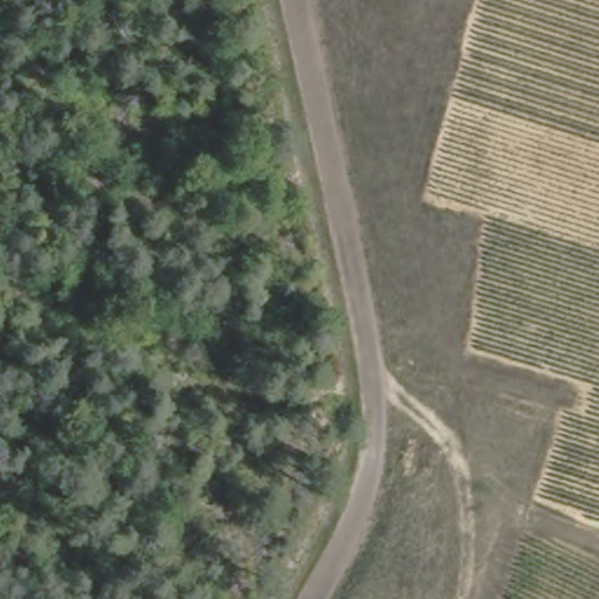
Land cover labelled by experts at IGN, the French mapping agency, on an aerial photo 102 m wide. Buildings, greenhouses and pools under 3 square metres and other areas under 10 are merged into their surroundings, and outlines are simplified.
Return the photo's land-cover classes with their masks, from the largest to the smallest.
<instances>
[{"label":"coniferous trees","instance_id":"1","mask_svg":"<svg viewBox=\"0 0 599 599\"><path fill-rule=\"evenodd\" d=\"M82 0H0V112L14 110L21 101H37V96H44L47 105L28 119L33 122V131L44 133L42 124L51 122L58 136L56 145L61 147V152L68 154L73 150H80L84 145V138H80L66 126V119L75 115V103H68L61 96V87L56 84V77L63 70L75 68V75L80 80L94 75L105 80V94L112 101V105H117L112 124L119 131V143L115 145L112 157L89 168L94 190L87 197L77 194L66 183V173L61 168H51L44 157L35 164H16V204H28L33 213L30 225L37 227V236H23L16 253H7L5 246H0V510L5 505H12L16 512L26 517V529L14 557L0 562V599H222V592L229 590L239 578V566L234 564V559L225 557V552L220 550V541L215 536H208L194 519L199 517V512L190 503V489L194 484L206 487L213 473H234L239 466H248L257 475L271 477L281 484L285 459L295 461V468L300 473H304L311 466V454L283 445L281 440H276V435L281 419L307 421L311 416L309 405L302 402L300 395H307L311 391V381L321 370L314 363V356L318 351V332L321 328H325L321 323V309L325 307L309 300L307 292H288L283 285L269 283V300L262 309V318L253 321L246 316L250 304L246 288L248 274L257 271L260 255L269 253V243L260 236H220L213 227L225 220V211L234 197V192L227 185L218 190L190 192L185 185V175L194 166L199 154H211L215 159L220 152L239 143L241 133L246 105V103H241L236 87H232L236 66L232 58L222 56L225 44L220 42L218 26L225 19H234L243 28H248L250 16L246 5H255L257 0H101L103 14L98 19H91L82 28H66L61 19L66 9ZM145 274H152L154 292L175 295V304L180 309H208L215 316L213 335L206 339L171 337V332L159 330V339L143 349H138V344H129L126 351L119 356L110 351L108 332L112 325L101 318L105 300L131 295L138 288L136 278ZM80 402L98 407L108 419V426L91 442L63 445L58 431L66 426L68 414L75 412Z\"/></svg>","mask_w":599,"mask_h":599},{"label":"herbaceous vegetation","instance_id":"2","mask_svg":"<svg viewBox=\"0 0 599 599\"><path fill-rule=\"evenodd\" d=\"M250 16L248 28H243L241 35L246 37L248 51H241L232 58L236 66L232 87H236L241 103H246L267 82L262 73H255V56L250 51H264L271 58L274 73L283 68L288 77V91L276 94V98H271L264 110L246 105L241 133L257 136L260 129L271 131L274 150H278L276 159L283 164L278 178L285 180V199H300L302 211L307 213V227L295 225L283 215L278 222L267 225L260 236L269 243V253L260 255L257 271L248 274L246 288L250 304L246 316L253 321L262 318V309L269 300V283L283 285L288 292H307L309 300L325 307L344 309L337 257L328 229L321 180L314 161L311 133L307 129L281 0H257L255 5H246ZM318 16L323 23V47L328 56L337 122L349 154V180L358 201L363 225V250L367 260L374 309L379 316L386 365L405 391L416 395L445 421L447 428L456 433L461 442V454L468 461L473 480L475 536L461 533L452 473L454 468L449 459L440 452V445L419 424H414L409 416L393 407L388 409L386 459L381 475V496L374 505V524L332 599H480L484 576L489 571V555L494 552L498 536H503L508 529H515V510L519 501L533 496V484L541 475L555 426V412L559 407L576 405L578 391L564 381L505 367L466 353V332L470 325V290L477 262L475 239L480 229V218L449 208H438L424 201L431 157L449 101L447 94L459 66L463 26L473 7V0H316ZM314 363L321 370L311 381V391L307 395H300L302 402L309 405L311 416L307 421L281 419L276 435V440H281L283 445L311 454V466L304 473H300L295 468V461L285 459L281 484L271 477L257 475L248 466H239L234 473H213L206 487L194 484L190 489V503L199 512V517L194 519L208 536H215L220 541V550L225 552V557L234 559V564L239 566V578L229 590L222 592V599H300L346 508L349 489L358 466V454L367 440V424L360 419V379L353 353V339L349 330L335 332L332 328H321L318 332V351L314 356Z\"/></svg>","mask_w":599,"mask_h":599},{"label":"vineyard","instance_id":"3","mask_svg":"<svg viewBox=\"0 0 599 599\"><path fill-rule=\"evenodd\" d=\"M449 101L431 157L424 201L438 208H449L480 218V229L475 239L477 262L470 290V325L466 332V353L505 367L564 381L578 391L576 405L559 407L555 412V426L541 475L533 484V496L519 501L515 510V529H508L503 536H498L494 552L489 555V571L484 576L480 599H599V0H473V7L463 26L459 66L447 94Z\"/></svg>","mask_w":599,"mask_h":599},{"label":"deciduous trees","instance_id":"4","mask_svg":"<svg viewBox=\"0 0 599 599\"><path fill-rule=\"evenodd\" d=\"M103 14L101 0H82L66 9L61 19L66 28H82L91 19H98ZM243 28L234 19H225L218 26L220 42L225 44L222 56L232 58L241 51H248L246 37L241 35ZM255 56V73H262L267 82L246 103V105L264 110L271 98H276V94L288 91V77L283 68L274 73L271 58L264 51H250ZM56 84L61 87V96L68 103H75V115L66 119V126L80 138H84V145L80 150H73L68 154L61 152V147L56 145L58 136L51 122L42 124L44 133L33 131V122L28 119L47 105L44 96H37V101H21L14 110L0 112V246H5L7 253H16L23 236H37V227L30 225L33 213L28 204H16V164H35L44 157L51 168H61L66 173V183L77 194L87 197L94 190L89 168L112 157L115 145L119 143V131L112 124L117 105H112V101L105 94V80L94 75L80 80L75 75V68L63 70L56 77ZM278 150H274L271 131L260 129L257 136L241 133L239 143L220 152L215 159L211 154H199L194 166L185 175V185L190 192L218 190L227 185L234 192V197L225 211V220L213 227L220 236H260L267 225L278 222L283 215L295 225L307 227V213L302 211L300 199H285V180L278 178L283 164L276 159ZM138 288L131 295L105 300L101 318L112 325L108 332L110 351L119 356L126 351L129 344H138V349H143L159 339V330L171 332V337L206 339L213 335L215 316L208 309H180L175 304V295L154 292L152 274H145L136 278ZM321 323L325 328H332L335 332L349 330L351 318L344 309L325 307L321 309ZM108 426V419L98 407L80 402L75 412L68 414L66 426L58 431L63 445L91 442ZM26 529V517L16 512L12 505H5L0 510V562L14 557Z\"/></svg>","mask_w":599,"mask_h":599},{"label":"impervious surface","instance_id":"5","mask_svg":"<svg viewBox=\"0 0 599 599\"><path fill-rule=\"evenodd\" d=\"M307 129L311 133L314 161L321 180L328 229L337 257L344 309L351 318L349 330L353 339V353L360 379V419L367 424V440L358 454V466L349 489L346 508L300 599H332L374 524V505L381 496V475L386 459L388 409L393 407L384 395L379 379V370L386 365L379 316L374 309L367 260L363 250V225L358 201L349 180V154L337 122L328 56L323 47V23L318 16L316 0H281Z\"/></svg>","mask_w":599,"mask_h":599},{"label":"pervious surface","instance_id":"6","mask_svg":"<svg viewBox=\"0 0 599 599\"><path fill-rule=\"evenodd\" d=\"M379 379L384 395L393 407L409 416L414 424H419L440 445V452L449 459L454 468L452 473L461 533L475 536L473 480L468 461L461 454V442L456 433L447 428L445 421L416 395L405 391L386 365L379 370Z\"/></svg>","mask_w":599,"mask_h":599}]
</instances>
